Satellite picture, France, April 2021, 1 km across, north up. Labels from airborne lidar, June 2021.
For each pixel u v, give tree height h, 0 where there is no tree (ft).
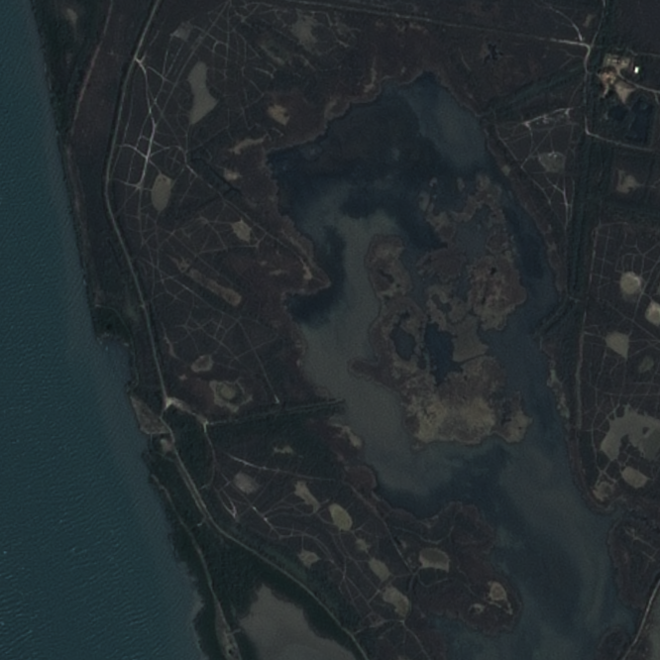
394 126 0
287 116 0
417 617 0
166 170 0
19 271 0
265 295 0
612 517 0
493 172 0
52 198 0
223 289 0
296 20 0
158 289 0
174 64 0
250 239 0
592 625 0
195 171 0
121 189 0
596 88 19
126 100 0
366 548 0
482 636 0
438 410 0
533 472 0
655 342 0
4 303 0
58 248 0
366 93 0
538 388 0
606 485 0
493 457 0
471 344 0
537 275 0
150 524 0
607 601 0
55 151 0
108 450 0
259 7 0
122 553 0
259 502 0
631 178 0
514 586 0
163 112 0
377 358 0
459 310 0
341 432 0
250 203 0
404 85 0
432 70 0
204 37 0
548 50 0
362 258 0
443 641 0
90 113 0
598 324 0
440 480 0
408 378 0
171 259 0
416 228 0
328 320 0
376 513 0
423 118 0
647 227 0
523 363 0
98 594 0
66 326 0
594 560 0
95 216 0
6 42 0
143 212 0
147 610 0
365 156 0
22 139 0
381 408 0
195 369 0
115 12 0
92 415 0
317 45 0
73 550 0
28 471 0
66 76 0
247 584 22
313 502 0
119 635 0
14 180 0
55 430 0
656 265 0
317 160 0
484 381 0
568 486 0
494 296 0
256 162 0
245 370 0
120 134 0
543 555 0
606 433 0
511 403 0
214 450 0
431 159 0
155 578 0
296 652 0
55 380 0
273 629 0
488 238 0
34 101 0
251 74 0
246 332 0
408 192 0
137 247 0
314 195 0
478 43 0
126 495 0
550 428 0
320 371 0
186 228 0
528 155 0
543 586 0
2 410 0
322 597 25
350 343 0
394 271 0
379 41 0
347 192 0
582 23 0
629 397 0
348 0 0
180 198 0
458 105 0
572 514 0
